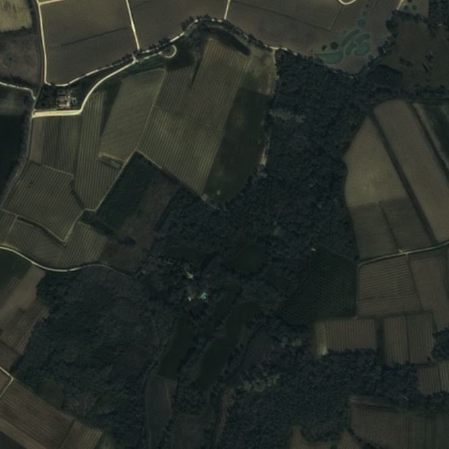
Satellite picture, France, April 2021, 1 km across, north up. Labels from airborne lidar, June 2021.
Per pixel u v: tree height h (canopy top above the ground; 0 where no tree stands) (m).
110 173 0
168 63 0
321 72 25
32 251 0
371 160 0
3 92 0
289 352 25
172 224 12
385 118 0
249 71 0
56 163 0
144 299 15
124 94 0
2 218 0
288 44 0
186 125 0
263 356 13
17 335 0
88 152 0
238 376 10
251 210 27
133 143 0
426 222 0
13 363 0
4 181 0
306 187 26
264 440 21
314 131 24
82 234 0
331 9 0
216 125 0
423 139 0
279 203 30
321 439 14
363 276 0
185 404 17
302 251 17
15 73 0
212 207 22
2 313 0
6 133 0
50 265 0
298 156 27
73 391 20
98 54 0
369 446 7
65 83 0
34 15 8
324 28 0
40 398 0
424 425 0
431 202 0
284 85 18
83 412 18
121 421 18
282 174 22
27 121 19
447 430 0
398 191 0
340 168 19
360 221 0
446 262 0
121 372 0
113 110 0
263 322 13
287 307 10
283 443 16
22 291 0
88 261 0
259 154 0
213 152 0
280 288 0
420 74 0
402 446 0
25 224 0
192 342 0
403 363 0
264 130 0
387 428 0
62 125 0
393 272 0
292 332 25
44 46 0
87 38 0
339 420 21
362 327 0
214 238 28
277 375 29
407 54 0
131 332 7
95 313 7
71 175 0
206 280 25
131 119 0
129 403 10
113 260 0
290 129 23
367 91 17
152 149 0
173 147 0
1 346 0
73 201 0
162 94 0
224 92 0
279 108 28
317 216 20
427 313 0
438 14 19
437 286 0
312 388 17
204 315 14
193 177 0
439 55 0
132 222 0
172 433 16
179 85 0
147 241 0
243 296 14
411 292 0
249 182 0
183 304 11
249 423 17
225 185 0
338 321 0
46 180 0
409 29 0
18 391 0
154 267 22
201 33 18
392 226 0
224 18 0
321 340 0
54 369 16
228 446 13
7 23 0
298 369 17
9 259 0
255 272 0
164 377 0
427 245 0
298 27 0
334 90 25
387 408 0
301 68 23
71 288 17
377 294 0
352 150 0
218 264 24
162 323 20
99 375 19
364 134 0
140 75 0
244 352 15
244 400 24
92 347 6
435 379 0
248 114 0
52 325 8
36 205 0
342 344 0
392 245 0
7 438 0
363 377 18
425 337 0
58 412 0
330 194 37
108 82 0
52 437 0
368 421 0
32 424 0
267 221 26
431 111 0
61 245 0
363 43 0
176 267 6
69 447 0
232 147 0
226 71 0
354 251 20
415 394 17
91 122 0
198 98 0
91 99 0
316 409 19
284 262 15
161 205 0
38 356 22
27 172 0
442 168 0
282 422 19
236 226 22
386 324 0
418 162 0
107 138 0
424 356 0
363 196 0
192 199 8
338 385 18
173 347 0
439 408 0
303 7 0
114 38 0
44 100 6
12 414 0
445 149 0
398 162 0
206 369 0
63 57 0
